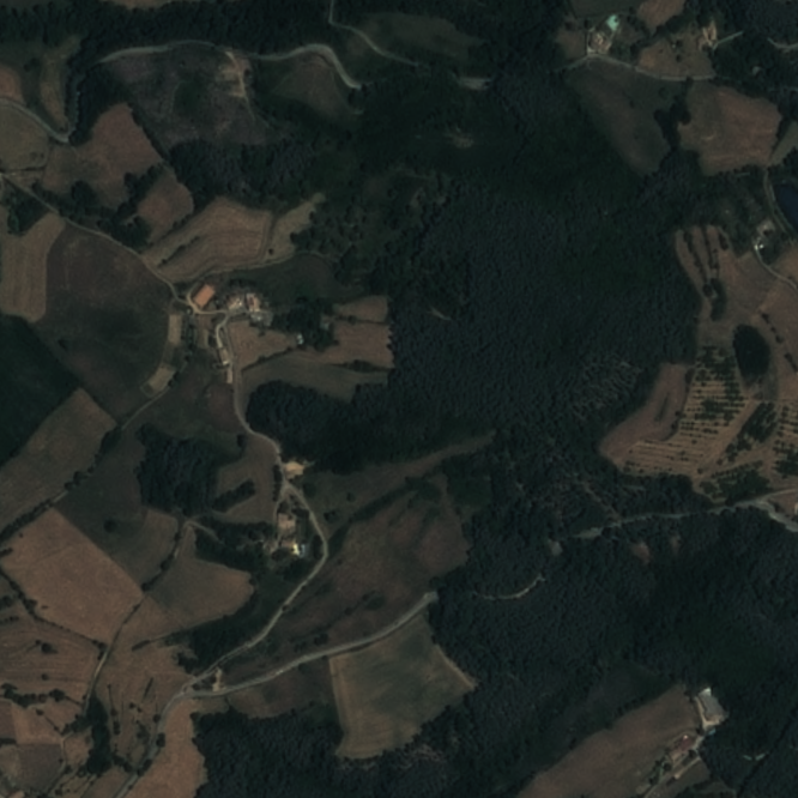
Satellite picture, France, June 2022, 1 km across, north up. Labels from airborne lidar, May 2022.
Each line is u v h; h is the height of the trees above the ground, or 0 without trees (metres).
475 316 21
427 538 0
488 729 21
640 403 9
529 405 18
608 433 0
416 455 13
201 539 7
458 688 0
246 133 0
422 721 0
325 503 0
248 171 15
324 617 0
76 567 0
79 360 0
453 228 23
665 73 0
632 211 14
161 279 0
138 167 0
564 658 23
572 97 13
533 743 16
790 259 0
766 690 23
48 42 20
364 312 0
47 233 0
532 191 11
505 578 19
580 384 21
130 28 18
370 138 9
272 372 0
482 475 14
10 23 24
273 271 0
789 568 18
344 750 0
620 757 0
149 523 0
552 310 19
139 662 0
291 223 0
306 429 24
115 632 0
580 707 0
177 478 19
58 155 0
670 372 0
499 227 20
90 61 16
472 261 18
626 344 15
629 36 0
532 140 15
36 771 0
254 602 9
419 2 15
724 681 13
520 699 13
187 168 24
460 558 0
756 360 13
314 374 0
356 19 8
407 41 0
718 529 18
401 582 0
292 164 19
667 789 0
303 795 20
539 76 16
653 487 18
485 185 13
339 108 0
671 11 0
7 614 0
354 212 13
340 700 0
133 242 11
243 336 0
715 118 0
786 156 0
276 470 9
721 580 22
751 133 0
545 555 35
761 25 19
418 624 0
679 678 11
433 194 9
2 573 6
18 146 0
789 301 0
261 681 0
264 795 16
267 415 15
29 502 0
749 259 0
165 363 0
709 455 0
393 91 15
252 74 16
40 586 0
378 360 0
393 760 21
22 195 7
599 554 18
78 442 0
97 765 13
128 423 0
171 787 0
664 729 0
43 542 0
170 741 0
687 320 15
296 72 0
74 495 0
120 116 0
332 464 16
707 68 0
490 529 13
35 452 0
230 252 0
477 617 20
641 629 20
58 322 0
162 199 0
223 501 6
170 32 26
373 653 0
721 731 16
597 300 15
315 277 0
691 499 14
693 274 0
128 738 0
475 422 13
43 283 0
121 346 0
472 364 23
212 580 0
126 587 0
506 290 22
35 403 0
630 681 0
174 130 0
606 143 6
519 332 21
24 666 0
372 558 0
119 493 0
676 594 16
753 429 7
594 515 23
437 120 19
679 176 21
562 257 17
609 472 20
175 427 0
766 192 0
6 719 0
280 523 0
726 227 9
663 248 10
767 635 14
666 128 15
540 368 16
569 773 0
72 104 14
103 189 0
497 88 21
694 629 14
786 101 11
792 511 0
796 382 0
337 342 6
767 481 7
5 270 0
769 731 18
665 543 25
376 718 0
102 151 0
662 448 0
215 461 6
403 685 0
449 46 0
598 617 18
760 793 20
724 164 0
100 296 0
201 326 0
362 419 16
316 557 12
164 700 0
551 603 16
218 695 0
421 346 21
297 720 18
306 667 8
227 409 0
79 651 0
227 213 0
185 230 0
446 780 8
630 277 16
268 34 26
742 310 0
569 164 11
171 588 0
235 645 11
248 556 10
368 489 0
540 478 19
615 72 0
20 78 0
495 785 15
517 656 24
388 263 17
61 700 11
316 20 11
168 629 0
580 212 14
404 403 15
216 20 28
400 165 7
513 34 20
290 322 8
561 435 22
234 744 22
